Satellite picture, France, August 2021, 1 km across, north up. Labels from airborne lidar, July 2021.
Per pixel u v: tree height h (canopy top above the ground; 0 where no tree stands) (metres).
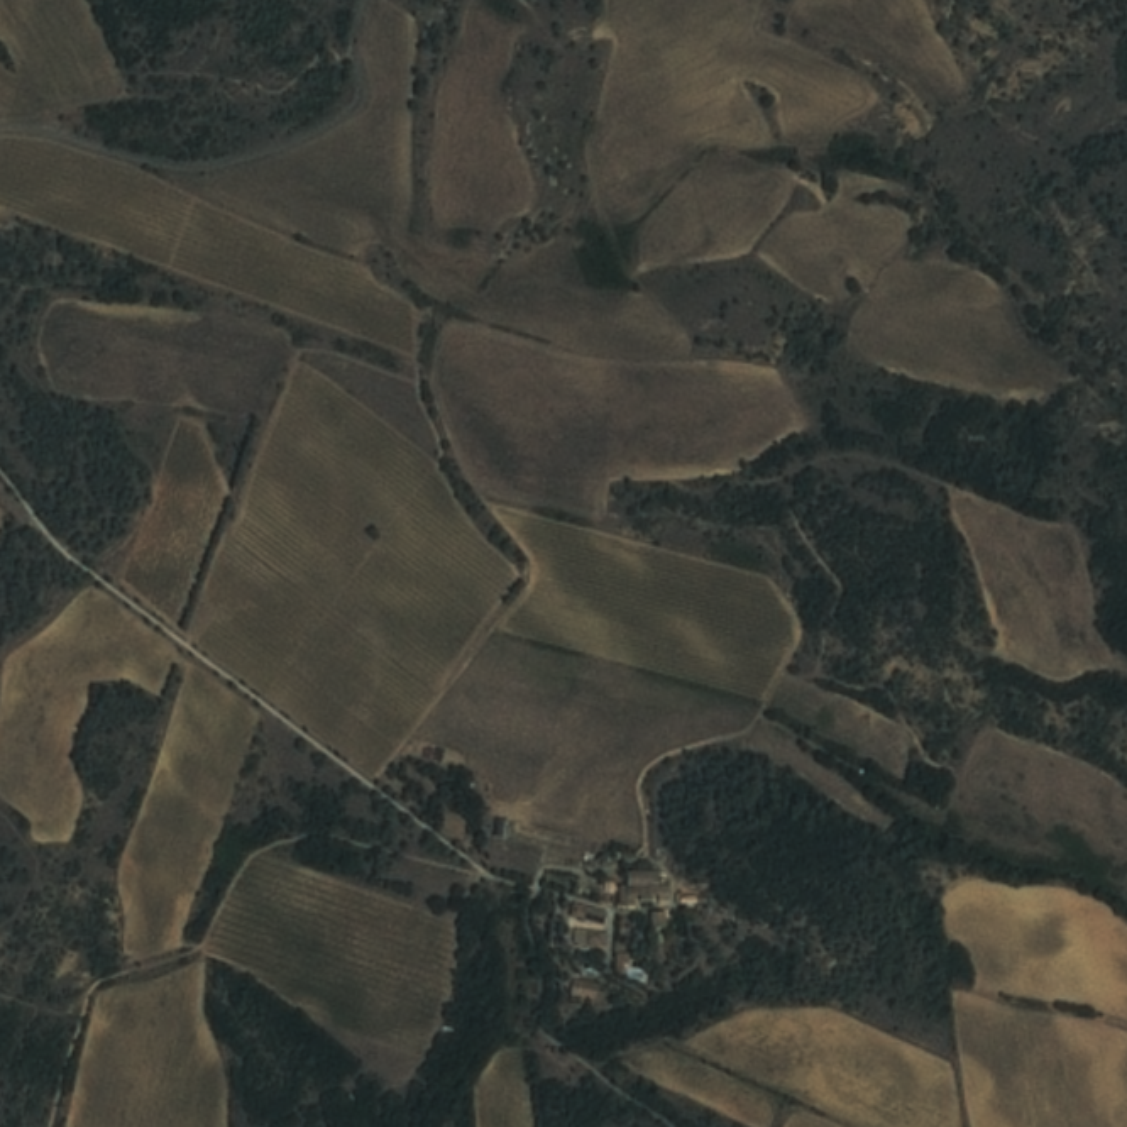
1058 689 9
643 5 0
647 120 0
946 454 7
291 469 0
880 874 9
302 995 0
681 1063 0
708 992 7
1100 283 0
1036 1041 0
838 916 6
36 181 0
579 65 0
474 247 0
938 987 13
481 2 0
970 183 0
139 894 0
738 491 5
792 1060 0
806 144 0
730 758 12
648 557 0
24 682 0
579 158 0
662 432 0
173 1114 0
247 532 0
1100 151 10
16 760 0
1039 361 0
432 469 0
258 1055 8
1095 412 0
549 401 0
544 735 0
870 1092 0
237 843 6
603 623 0
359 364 0
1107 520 9
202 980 0
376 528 9
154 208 0
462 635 0
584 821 0
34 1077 6
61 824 0
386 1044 0
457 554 0
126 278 7
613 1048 7
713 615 0
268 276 0
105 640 0
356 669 0
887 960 12
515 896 6
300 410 0
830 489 6
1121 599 6
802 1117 0
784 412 0
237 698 0
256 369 0
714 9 0
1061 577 0
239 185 0
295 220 0
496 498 0
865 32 0
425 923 0
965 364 0
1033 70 0
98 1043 0
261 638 0
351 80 9
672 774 0
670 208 0
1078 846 0
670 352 0
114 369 0
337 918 0
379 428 0
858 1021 0
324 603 0
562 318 0
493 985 9
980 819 0
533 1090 7
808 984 14
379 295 0
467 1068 7
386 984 0
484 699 0
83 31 0
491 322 0
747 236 0
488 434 0
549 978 10
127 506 10
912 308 0
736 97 0
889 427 6
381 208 0
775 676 0
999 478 10
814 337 8
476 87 0
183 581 0
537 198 0
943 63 0
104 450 8
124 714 12
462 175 0
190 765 0
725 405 0
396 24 0
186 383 0
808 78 0
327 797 6
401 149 0
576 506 0
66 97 0
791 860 9
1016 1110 0
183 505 0
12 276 7
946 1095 0
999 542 0
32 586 10
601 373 0
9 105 0
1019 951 0
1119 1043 0
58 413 14
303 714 0
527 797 0
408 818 12
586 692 0
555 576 0
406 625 0
